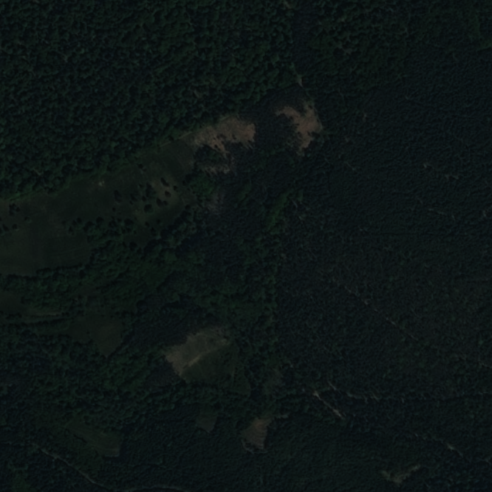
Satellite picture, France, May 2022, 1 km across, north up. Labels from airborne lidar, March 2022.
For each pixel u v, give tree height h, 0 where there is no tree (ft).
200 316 102
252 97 94
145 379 110
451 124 42
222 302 101
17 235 0
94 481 50
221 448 39
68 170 106
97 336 0
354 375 80
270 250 106
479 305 56
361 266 80
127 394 81
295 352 77
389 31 46
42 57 69
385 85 52
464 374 73
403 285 69
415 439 72
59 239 0
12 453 62
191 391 51
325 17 109
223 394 44
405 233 41
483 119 42
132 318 52
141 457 57
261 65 82
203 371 0
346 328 65
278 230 92
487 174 52
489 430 57
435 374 61
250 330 96
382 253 61
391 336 74
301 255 66
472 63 48
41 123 67
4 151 106
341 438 42
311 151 53
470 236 52
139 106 84
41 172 43
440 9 57
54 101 66
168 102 105
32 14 73
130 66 69
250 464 46
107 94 59
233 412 56
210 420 0
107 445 0
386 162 46
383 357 67
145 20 86
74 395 29
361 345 76
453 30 53
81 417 39
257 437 0
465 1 50
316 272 54
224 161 87
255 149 81
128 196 0
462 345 70
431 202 39
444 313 71
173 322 89
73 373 79
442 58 45
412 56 48
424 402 86
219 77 114
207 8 119
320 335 88
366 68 45
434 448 97
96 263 47
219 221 102
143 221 0
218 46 108
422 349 70
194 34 64
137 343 89
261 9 97
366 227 57
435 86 45
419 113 56
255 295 75
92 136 85
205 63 103
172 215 0
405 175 41
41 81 89
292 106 86
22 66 82
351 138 36
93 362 71
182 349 0
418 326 72
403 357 59
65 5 43
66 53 76
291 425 41
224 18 115
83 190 0
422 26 61
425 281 62
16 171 57
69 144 95
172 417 50
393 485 32
